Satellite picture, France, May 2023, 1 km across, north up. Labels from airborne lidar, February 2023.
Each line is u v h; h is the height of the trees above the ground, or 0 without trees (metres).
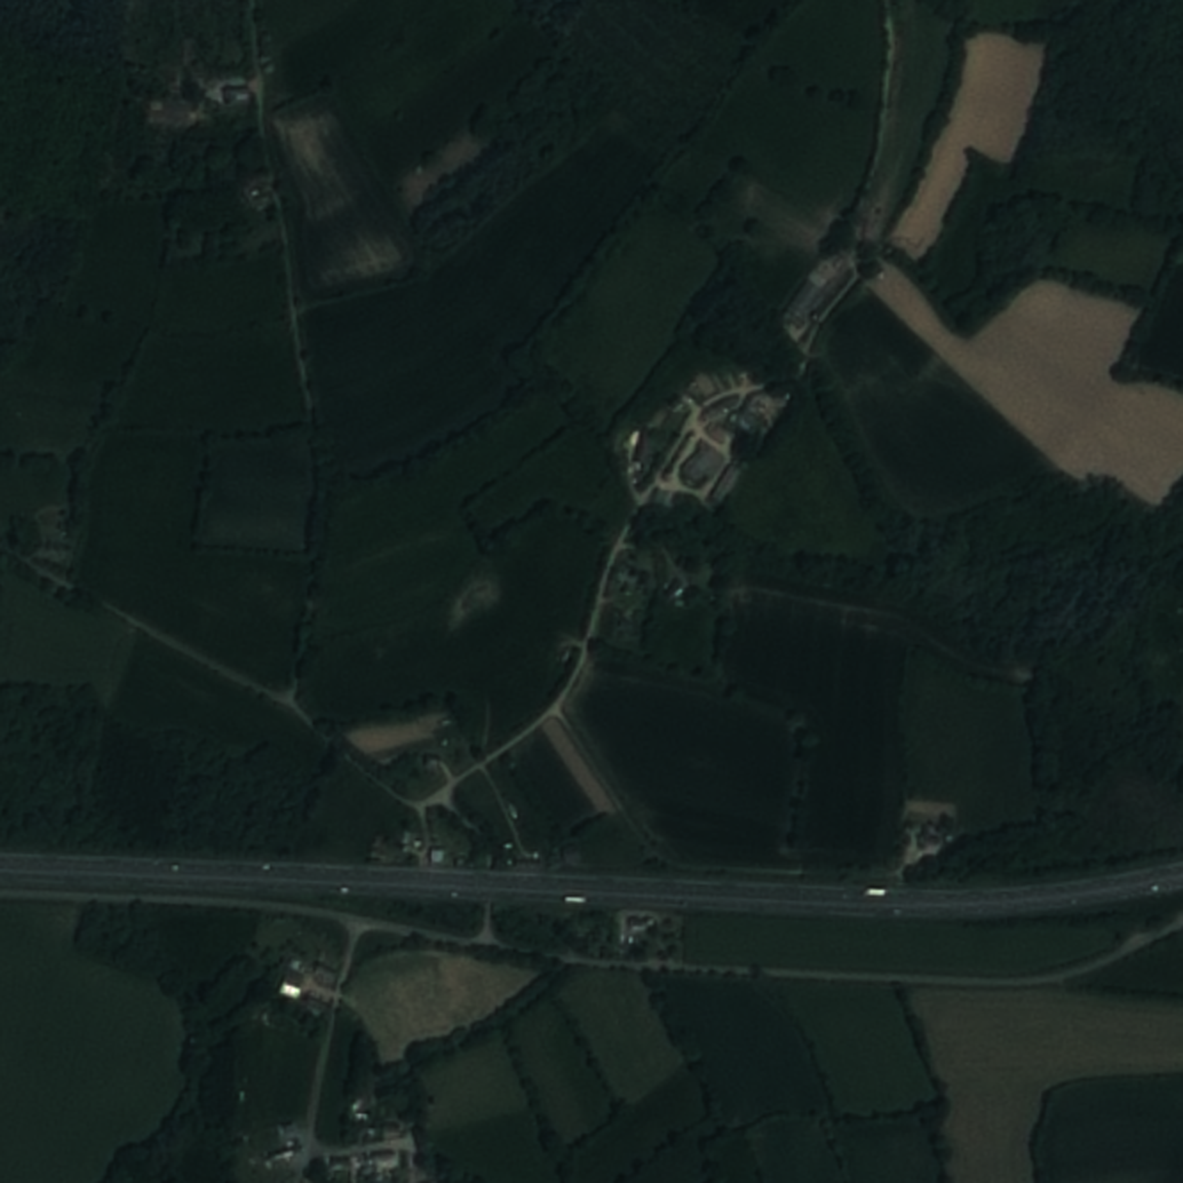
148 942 10
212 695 0
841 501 0
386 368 0
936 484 0
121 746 7
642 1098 0
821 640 0
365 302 0
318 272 0
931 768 0
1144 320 7
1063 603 23
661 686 0
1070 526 8
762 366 11
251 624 0
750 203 0
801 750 13
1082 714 11
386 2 0
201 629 0
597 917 8
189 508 0
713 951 0
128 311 0
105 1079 0
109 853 6
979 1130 0
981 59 0
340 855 0
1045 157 30
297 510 0
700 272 0
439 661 0
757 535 0
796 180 0
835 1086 0
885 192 0
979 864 17
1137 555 9
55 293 8
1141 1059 0
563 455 0
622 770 0
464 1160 0
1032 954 0
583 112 14
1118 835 0
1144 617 15
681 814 0
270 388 0
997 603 6
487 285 0
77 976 0
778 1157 0
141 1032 0
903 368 0
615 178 0
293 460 0
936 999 0
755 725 0
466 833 9
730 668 0
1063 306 0
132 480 0
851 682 0
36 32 24
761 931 0
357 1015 0
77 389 0
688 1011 0
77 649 0
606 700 0
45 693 9
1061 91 19
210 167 14
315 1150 0
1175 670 0
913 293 0
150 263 0
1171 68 13
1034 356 0
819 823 0
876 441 0
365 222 0
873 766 0
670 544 18
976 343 0
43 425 0
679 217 11
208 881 0
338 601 0
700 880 0
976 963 0
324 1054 0
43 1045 0
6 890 0
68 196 13
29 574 11
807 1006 0
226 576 0
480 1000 0
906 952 0
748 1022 0
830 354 0
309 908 0
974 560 11
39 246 6
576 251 0
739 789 0
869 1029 0
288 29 0
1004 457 0
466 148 0
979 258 10
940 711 0
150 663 0
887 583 14
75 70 15
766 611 0
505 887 0
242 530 0
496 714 0
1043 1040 0
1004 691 8
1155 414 0
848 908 0
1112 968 0
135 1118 0
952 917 0
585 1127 0
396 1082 7
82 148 14
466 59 0
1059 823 15
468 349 0
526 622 0
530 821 0
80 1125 0
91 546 0
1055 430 0
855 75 0
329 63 0
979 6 0
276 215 14
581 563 0
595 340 0
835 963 0
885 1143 0
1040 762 14
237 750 0
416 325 0
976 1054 0
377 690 0
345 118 0
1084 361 0
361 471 0
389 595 0
